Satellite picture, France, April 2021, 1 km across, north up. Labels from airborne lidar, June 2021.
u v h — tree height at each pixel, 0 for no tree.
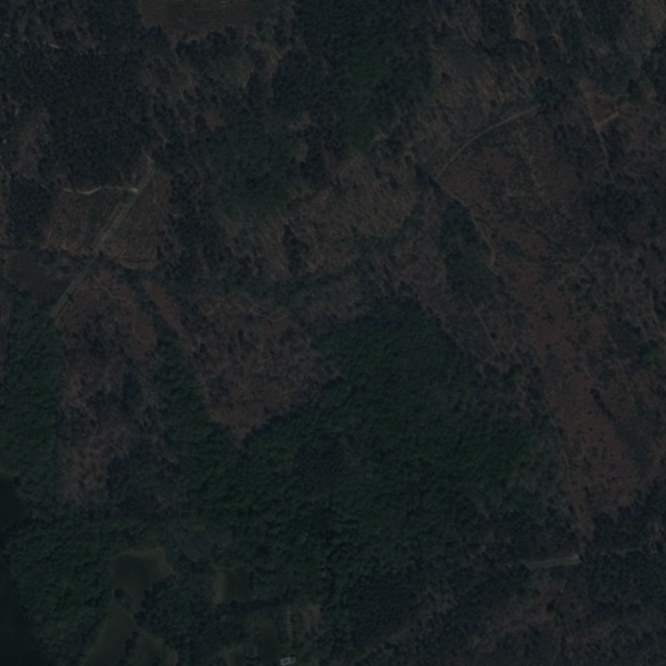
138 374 11
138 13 21
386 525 21
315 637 13
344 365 20
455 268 17
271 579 16
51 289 0
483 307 11
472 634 21
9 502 0
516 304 9
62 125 15
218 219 19
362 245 14
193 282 22
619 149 16
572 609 7
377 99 18
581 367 12
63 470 18
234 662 0
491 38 15
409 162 10
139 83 23
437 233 14
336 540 18
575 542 20
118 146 22
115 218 0
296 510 17
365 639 23
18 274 0
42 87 23
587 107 14
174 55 17
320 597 20
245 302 14
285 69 20
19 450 28
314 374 16
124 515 19
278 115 17
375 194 12
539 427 15
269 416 11
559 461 14
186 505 13
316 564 25
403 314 20
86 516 17
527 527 25
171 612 24
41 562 25
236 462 21
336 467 27
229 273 12
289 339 18
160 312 18
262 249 13
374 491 18
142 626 20
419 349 20
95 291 7
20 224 21
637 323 18
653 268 9
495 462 22
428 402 19
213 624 26
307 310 16
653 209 11
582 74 28
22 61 26
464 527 25
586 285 13
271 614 20
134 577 0
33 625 19
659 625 6
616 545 19
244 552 17
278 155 22
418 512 11
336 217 10
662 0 17
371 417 20
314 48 21
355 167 16
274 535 26
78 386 10
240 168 21
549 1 16
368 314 15
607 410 20
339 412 14
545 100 11
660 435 11
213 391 9
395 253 14
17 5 7
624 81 22
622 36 20
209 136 19
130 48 21
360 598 26
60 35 17
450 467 18
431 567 17
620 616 20
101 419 15
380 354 23
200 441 19
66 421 25
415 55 17
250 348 15
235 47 20
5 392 15
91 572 23
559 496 15
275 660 0
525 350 18
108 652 0
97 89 21
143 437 14
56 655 7
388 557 19
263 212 19
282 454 16
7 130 18
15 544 21
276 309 8
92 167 22
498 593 23
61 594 22
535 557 20
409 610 25
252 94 16
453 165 7
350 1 19
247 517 24
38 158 19
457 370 20
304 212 14
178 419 27
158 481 17
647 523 15
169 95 9
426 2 24
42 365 23
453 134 16
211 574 23
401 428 22
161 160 24
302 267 25
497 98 15
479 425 17
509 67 13
